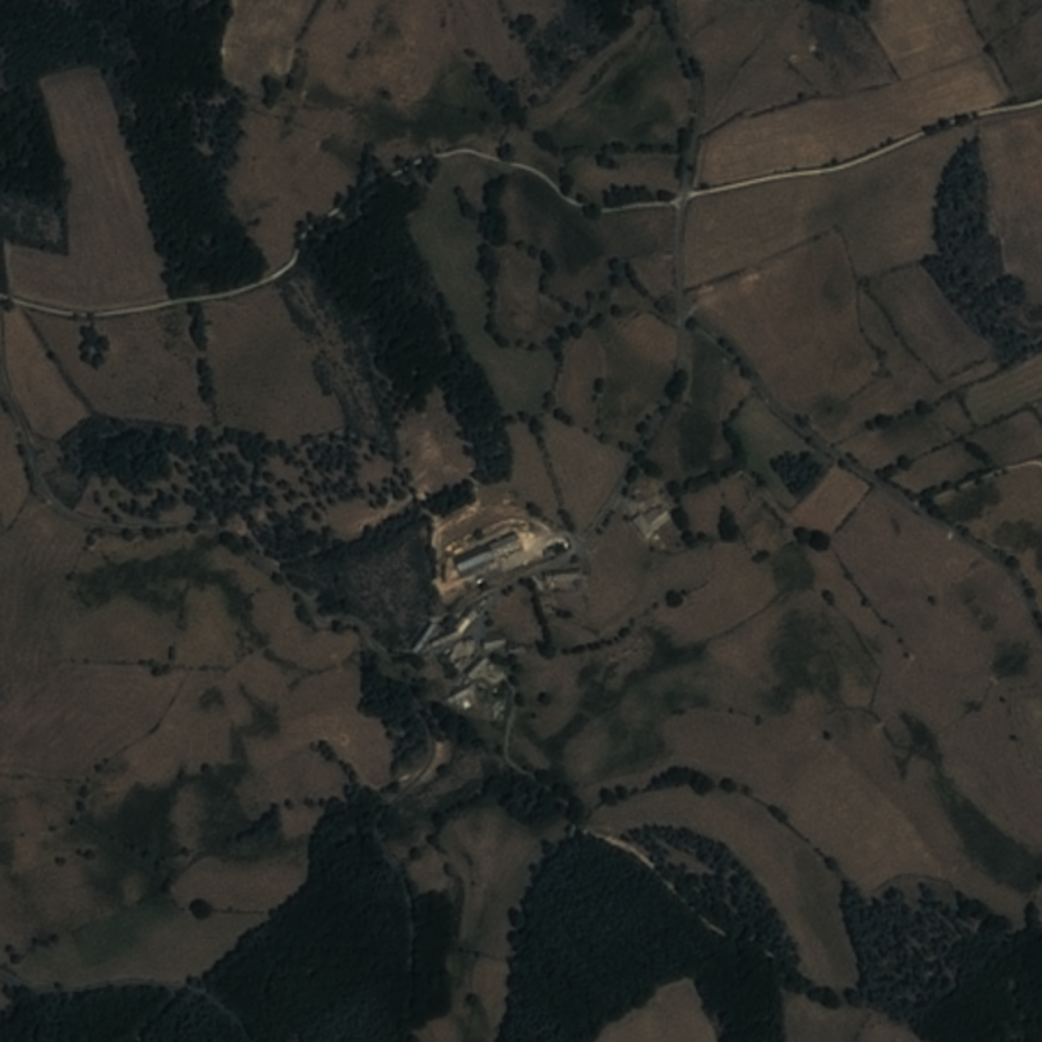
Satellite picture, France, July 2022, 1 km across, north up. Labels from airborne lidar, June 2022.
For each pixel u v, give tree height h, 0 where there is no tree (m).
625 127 0
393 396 9
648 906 15
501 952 0
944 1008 17
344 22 0
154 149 12
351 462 15
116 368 0
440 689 0
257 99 0
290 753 0
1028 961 13
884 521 0
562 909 15
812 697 0
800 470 12
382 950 13
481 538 7
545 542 0
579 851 18
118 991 7
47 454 0
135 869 0
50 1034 11
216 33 15
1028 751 0
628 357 0
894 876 0
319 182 0
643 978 17
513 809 18
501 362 0
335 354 0
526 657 0
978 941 14
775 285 0
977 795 0
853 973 0
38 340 0
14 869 0
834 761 0
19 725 0
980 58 0
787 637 0
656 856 15
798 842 0
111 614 0
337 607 17
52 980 0
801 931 0
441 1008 17
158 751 0
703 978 16
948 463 0
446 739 6
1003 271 0
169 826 0
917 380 0
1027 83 0
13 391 0
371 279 15
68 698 0
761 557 7
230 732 0
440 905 12
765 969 20
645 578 0
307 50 0
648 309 0
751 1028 17
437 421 0
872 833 0
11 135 7
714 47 0
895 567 0
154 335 0
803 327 0
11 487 0
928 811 0
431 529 12
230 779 0
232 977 11
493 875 0
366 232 18
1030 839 0
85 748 0
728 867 19
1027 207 0
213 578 0
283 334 0
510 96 11
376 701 16
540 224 0
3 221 0
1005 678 0
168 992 12
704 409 0
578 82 0
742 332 0
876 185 0
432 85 0
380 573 0
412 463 0
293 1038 14
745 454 8
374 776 0
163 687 0
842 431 0
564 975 11
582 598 0
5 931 0
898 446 0
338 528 0
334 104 0
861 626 0
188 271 12
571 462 0
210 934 0
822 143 0
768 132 0
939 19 0
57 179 6
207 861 0
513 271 0
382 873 16
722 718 0
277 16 0
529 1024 17
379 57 0
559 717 0
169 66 16
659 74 0
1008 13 0
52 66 8
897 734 0
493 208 13
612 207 10
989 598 0
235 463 16
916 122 0
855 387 0
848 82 0
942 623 0
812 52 0
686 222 0
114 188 0
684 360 0
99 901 0
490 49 0
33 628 0
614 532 0
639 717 0
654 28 0
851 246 0
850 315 0
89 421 9
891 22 0
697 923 21
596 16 7
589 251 0
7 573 0
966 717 0
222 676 0
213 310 0
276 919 10
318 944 10
